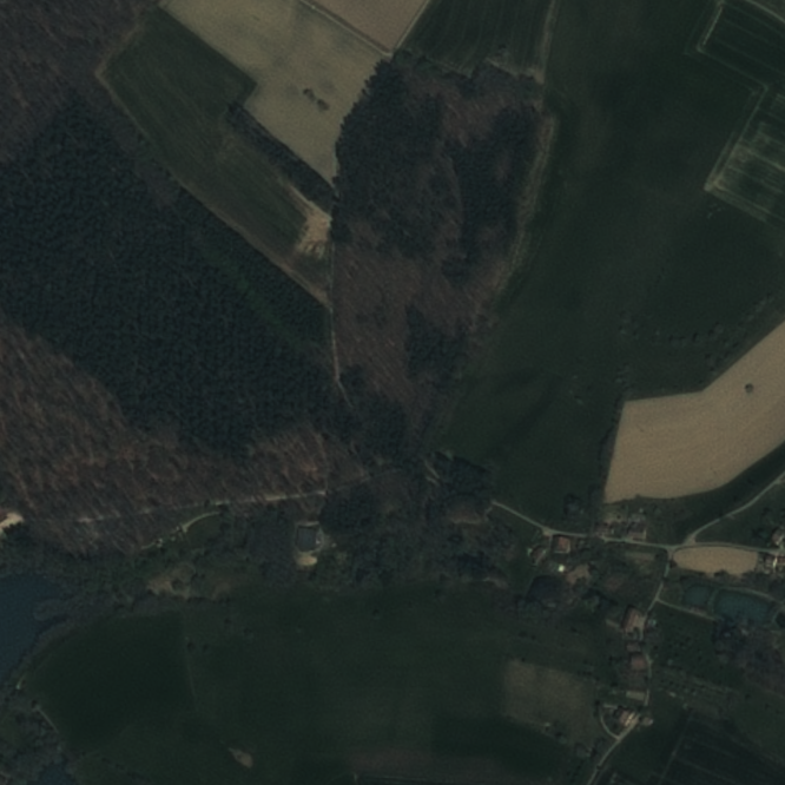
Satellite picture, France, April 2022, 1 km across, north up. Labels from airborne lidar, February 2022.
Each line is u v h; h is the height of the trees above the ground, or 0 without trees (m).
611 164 0
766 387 0
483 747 0
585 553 9
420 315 27
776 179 0
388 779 0
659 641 15
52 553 27
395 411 23
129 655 0
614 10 0
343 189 24
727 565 0
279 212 0
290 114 0
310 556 0
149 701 0
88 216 25
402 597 0
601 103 0
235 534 21
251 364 22
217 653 0
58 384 30
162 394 27
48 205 28
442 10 0
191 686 0
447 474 24
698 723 0
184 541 0
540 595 0
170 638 0
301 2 0
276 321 20
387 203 17
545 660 0
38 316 31
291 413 26
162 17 0
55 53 30
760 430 0
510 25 0
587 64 0
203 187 0
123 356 26
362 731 0
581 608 0
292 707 0
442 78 19
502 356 0
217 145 0
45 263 24
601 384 0
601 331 0
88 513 29
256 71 0
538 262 0
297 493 32
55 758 18
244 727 0
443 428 13
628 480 0
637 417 0
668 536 0
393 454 24
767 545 8
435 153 21
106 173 32
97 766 0
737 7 0
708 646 0
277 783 0
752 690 0
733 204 0
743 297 0
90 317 28
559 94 0
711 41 0
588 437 0
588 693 0
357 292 17
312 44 0
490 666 0
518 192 24
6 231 21
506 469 0
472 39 0
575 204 0
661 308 0
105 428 32
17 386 28
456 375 29
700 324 0
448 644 0
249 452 22
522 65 0
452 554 23
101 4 30
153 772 0
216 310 25
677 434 0
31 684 0
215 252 21
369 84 0
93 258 20
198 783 0
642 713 11
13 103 35
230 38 0
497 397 0
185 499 26
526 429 0
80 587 8
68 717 0
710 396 0
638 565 0
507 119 22
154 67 0
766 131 0
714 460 0
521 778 0
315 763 0
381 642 0
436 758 0
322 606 0
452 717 0
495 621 0
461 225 21
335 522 21
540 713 0
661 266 0
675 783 0
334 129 0
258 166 0
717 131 0
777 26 0
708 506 0
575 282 0
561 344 0
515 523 0
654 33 0
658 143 0
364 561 17
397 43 0
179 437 19
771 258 0
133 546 32
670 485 0
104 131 28
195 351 23
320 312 25
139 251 25
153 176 30
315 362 27
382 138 19
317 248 0
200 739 0
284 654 0
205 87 0
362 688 0
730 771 0
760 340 0
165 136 0
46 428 0
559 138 0
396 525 19
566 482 0
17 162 29
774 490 0
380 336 15
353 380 20
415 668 0
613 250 0
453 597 0
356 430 25
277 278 23
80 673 0
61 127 27
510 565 0
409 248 23
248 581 0
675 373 0
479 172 25
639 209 0
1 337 27
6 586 0
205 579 6
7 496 23
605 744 13
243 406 17
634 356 0
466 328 23
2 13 30
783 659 13
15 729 0
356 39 0
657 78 0
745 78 0
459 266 15
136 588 6
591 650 0
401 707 0
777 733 0
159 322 25
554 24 0
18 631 0
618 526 10
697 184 0
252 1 0
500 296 0
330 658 0
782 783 0
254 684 0
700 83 0
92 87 29
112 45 17
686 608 0
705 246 0
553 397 0
